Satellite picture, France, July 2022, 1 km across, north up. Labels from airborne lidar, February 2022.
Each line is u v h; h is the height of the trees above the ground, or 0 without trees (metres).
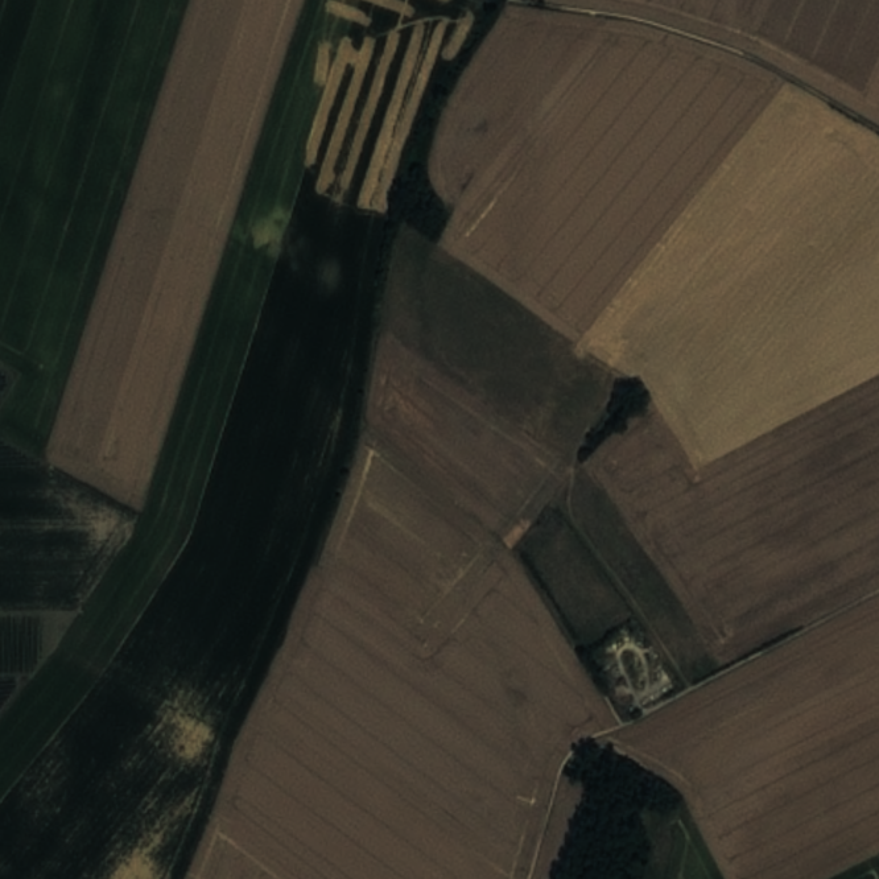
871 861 0
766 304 0
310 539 0
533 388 0
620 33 0
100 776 0
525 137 0
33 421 0
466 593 0
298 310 0
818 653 0
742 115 0
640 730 0
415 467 0
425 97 0
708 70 0
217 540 0
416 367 0
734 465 0
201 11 0
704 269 0
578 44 0
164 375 0
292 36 0
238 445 0
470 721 0
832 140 0
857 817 0
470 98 0
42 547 0
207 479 0
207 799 0
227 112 0
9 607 0
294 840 0
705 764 0
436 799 0
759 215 0
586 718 0
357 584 0
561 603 0
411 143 6
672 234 0
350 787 0
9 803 0
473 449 0
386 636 0
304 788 0
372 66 0
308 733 0
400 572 0
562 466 0
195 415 0
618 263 0
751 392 0
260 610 0
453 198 0
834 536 0
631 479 0
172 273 0
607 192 0
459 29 0
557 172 0
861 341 0
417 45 0
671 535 0
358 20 0
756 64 0
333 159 0
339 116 0
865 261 0
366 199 0
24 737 0
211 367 0
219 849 0
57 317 0
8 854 0
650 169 0
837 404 0
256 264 0
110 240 0
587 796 6
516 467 0
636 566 0
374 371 0
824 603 0
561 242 0
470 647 0
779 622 0
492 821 0
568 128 0
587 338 0
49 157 0
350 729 0
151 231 0
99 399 0
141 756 0
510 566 0
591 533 0
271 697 0
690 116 0
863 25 0
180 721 0
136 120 0
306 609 0
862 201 0
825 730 0
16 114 0
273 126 0
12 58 0
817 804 0
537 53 0
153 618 0
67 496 0
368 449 0
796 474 0
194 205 0
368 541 0
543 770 0
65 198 0
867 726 0
